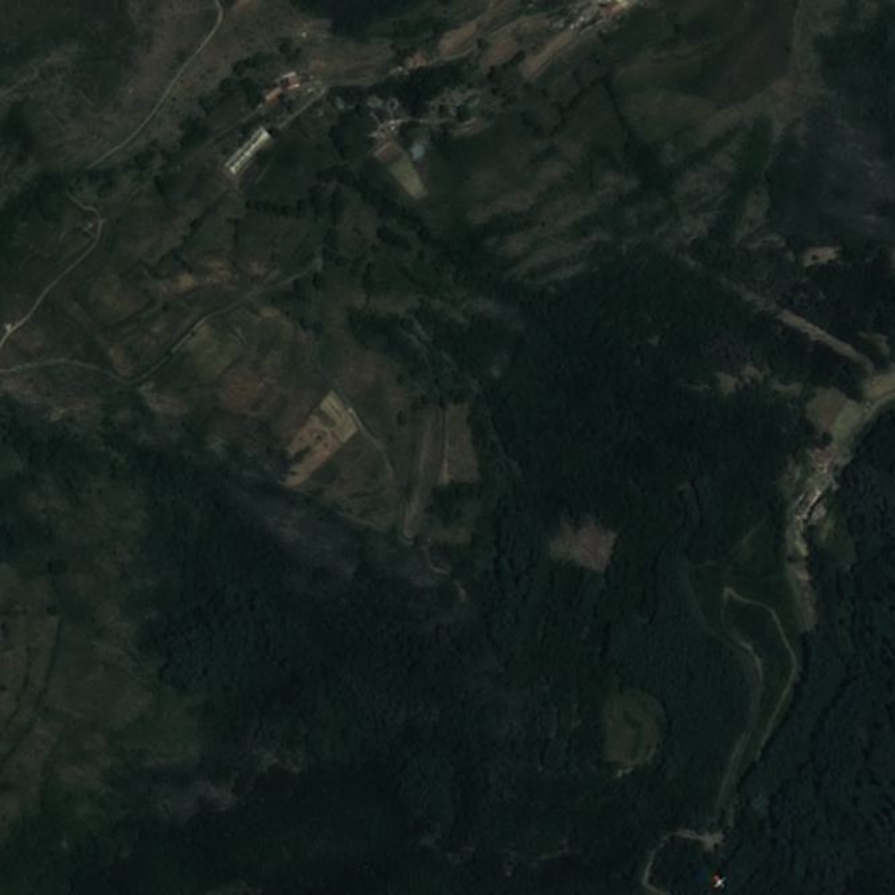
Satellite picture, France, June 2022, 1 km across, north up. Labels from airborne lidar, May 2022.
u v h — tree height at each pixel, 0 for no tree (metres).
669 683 24
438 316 9
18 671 0
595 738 10
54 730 0
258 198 0
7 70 0
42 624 0
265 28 0
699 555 18
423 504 0
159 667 0
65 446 22
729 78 0
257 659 24
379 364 0
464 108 7
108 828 7
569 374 29
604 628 9
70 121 0
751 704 23
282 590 18
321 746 15
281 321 0
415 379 9
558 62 0
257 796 14
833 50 6
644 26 0
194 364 0
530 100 0
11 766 0
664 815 20
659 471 16
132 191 0
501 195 0
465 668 9
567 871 23
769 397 17
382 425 0
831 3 0
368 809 21
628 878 20
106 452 9
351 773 15
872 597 14
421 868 21
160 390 0
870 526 22
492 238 8
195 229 15
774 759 40
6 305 0
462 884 29
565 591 18
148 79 0
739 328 12
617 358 18
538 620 20
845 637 8
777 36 0
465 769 11
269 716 17
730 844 16
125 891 22
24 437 19
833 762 38
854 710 34
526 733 7
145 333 0
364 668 22
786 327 15
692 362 19
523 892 23
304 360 0
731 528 25
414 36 7
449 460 0
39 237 0
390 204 16
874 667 13
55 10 0
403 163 0
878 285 20
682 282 13
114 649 0
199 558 8
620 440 23
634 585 25
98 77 0
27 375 0
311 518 0
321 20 0
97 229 0
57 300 0
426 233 18
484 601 11
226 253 0
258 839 10
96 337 0
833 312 14
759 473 16
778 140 0
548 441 20
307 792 18
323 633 25
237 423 0
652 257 8
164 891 12
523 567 27
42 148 0
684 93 0
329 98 7
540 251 0
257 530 8
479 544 14
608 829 16
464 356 15
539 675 14
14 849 10
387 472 0
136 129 0
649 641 25
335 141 9
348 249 0
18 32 0
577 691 13
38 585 0
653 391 25
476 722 8
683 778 13
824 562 16
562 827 17
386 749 8
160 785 10
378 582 10
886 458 18
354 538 7
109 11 0
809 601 0
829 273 13
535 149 0
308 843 12
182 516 10
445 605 8
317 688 15
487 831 14
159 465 16
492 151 0
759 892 18
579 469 24
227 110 0
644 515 14
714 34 0
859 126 0
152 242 0
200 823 15
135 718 0
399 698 22
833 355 17
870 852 19
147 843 17
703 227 0
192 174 0
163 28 0
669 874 9
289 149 0
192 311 0
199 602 11
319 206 16
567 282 7
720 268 10
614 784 19
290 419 0
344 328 0
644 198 10
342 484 0
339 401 0
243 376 0
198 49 0
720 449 17
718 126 0
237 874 12
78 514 0
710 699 25
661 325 16
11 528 8
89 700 0
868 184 0
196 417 0
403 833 18
